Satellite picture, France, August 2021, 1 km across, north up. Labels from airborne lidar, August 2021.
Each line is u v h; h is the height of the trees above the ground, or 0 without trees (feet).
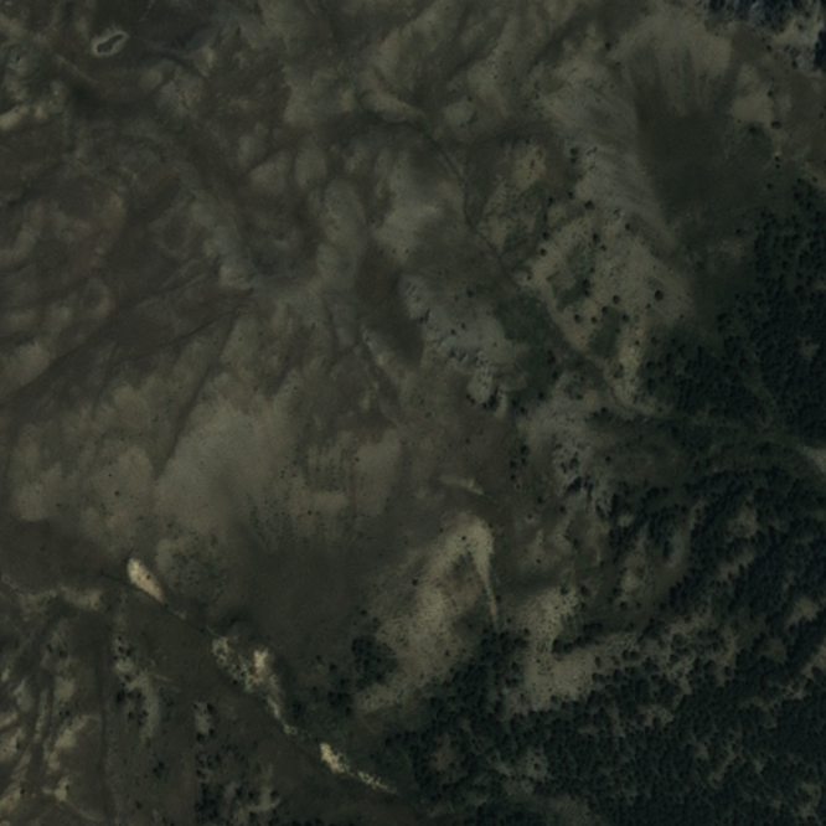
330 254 0
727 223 0
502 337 0
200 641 0
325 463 0
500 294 0
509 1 0
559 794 34
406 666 0
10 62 0
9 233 0
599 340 0
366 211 0
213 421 0
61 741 0
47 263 0
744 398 52
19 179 0
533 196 0
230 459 0
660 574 0
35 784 0
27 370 0
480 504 0
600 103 0
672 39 0
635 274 0
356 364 0
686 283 0
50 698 0
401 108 0
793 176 0
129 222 0
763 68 0
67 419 0
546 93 0
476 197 0
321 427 0
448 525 0
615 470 0
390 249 0
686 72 0
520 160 0
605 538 0
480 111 0
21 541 0
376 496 0
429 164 0
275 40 0
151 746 0
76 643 0
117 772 0
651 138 0
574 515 0
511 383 0
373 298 0
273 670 0
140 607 0
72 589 0
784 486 80
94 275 0
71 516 0
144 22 0
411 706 0
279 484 0
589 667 0
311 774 0
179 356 0
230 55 0
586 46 0
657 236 0
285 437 0
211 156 0
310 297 0
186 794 0
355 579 0
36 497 0
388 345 0
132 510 0
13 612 0
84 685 0
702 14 0
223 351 0
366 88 0
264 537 0
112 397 0
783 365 52
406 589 0
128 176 0
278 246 0
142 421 0
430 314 0
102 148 0
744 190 0
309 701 0
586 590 40
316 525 0
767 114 0
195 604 0
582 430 0
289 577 0
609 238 0
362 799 0
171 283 0
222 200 0
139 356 0
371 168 0
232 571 0
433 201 0
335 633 0
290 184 0
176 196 0
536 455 0
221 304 0
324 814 0
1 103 0
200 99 0
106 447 0
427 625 0
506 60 0
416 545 0
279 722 0
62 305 0
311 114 0
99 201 0
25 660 0
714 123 0
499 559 0
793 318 60
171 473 0
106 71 0
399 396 0
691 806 70
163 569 0
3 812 0
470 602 0
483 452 0
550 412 0
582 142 0
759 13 0
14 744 0
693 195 0
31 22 0
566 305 0
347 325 0
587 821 0
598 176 0
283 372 0
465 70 0
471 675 41
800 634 38
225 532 0
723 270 0
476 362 0
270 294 0
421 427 0
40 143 0
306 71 0
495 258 0
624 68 0
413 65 0
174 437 0
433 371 0
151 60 0
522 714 20
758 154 0
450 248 0
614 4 0
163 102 0
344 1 0
